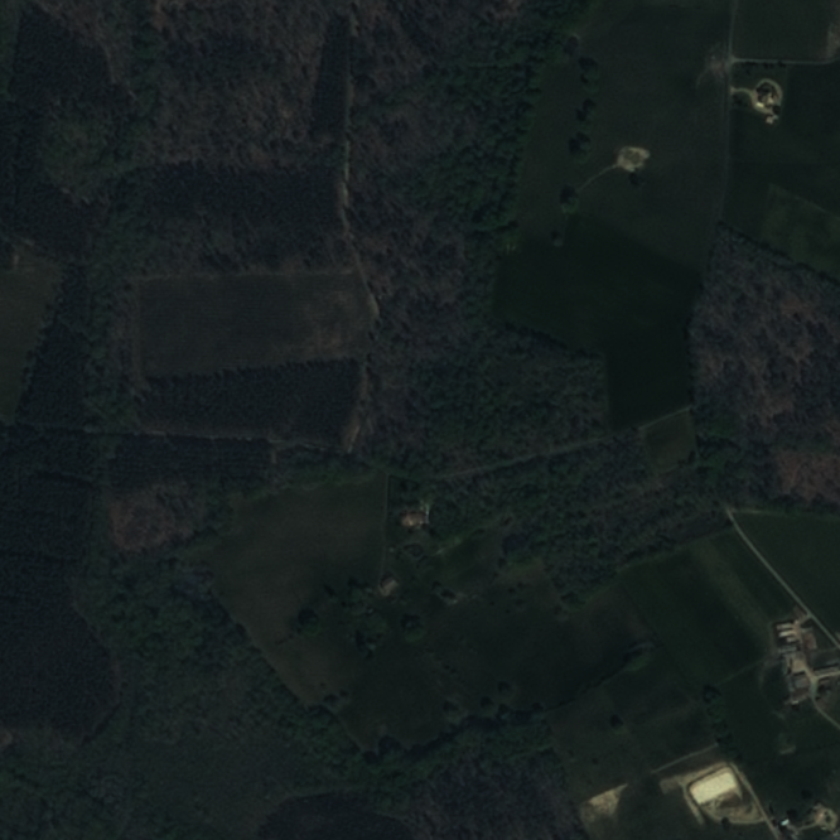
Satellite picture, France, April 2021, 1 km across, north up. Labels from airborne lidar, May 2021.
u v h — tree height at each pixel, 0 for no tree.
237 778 9
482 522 16
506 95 16
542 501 19
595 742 0
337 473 19
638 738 0
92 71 17
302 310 0
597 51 0
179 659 12
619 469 7
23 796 11
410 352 10
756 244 9
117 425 17
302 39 14
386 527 0
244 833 10
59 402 18
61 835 24
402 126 8
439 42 9
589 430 10
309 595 0
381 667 0
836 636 0
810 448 14
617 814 0
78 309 16
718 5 0
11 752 12
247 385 15
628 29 0
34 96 17
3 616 16
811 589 0
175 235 12
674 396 0
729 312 11
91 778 10
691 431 0
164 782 12
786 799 0
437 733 0
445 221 14
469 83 13
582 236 0
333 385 17
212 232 13
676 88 0
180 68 25
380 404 11
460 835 9
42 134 17
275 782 11
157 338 0
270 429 16
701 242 0
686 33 0
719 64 0
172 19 16
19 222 16
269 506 0
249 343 0
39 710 15
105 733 15
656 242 0
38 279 0
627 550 16
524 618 0
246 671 13
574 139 0
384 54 11
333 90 17
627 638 0
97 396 20
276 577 0
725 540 0
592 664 0
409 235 10
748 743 0
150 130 15
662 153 0
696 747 0
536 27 11
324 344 0
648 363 0
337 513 0
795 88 0
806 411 23
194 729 10
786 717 0
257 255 17
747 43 0
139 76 19
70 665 18
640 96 0
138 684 13
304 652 0
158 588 18
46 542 16
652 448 0
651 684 0
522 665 0
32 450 20
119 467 17
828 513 13
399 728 0
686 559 0
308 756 14
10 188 17
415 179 14
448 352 14
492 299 10
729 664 0
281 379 17
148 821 14
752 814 0
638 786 0
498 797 20
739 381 17
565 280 0
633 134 0
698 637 0
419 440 10
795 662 0
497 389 13
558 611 8
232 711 8
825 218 0
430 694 0
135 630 17
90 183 14
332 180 14
